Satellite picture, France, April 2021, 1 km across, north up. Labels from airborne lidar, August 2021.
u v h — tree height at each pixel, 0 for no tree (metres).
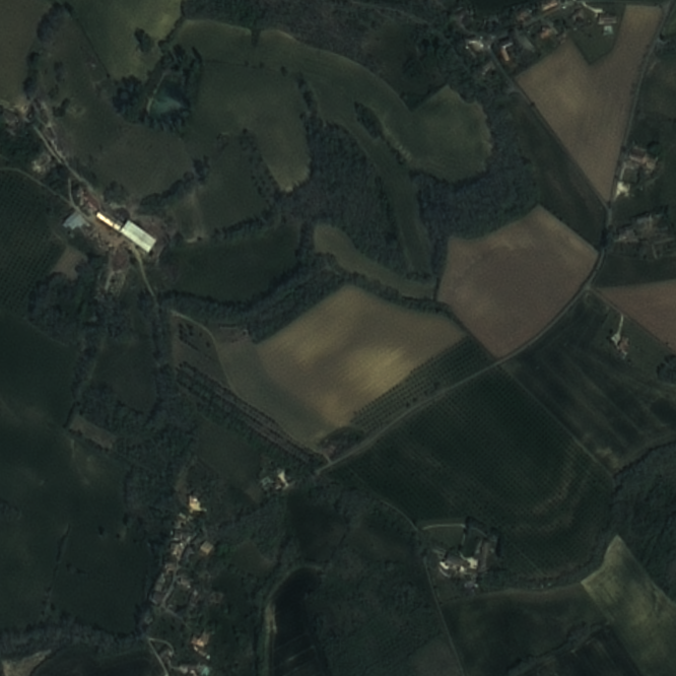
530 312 0
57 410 0
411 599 15
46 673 0
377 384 0
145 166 0
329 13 17
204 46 0
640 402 0
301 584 0
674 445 8
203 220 0
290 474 13
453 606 0
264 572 0
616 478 13
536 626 0
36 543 0
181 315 10
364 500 21
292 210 18
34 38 0
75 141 0
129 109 30
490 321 0
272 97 0
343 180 16
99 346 19
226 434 0
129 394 0
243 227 10
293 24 17
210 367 0
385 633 7
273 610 0
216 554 9
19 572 0
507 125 17
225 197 0
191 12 22
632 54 0
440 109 0
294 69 0
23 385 0
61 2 0
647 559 7
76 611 0
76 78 0
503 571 9
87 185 7
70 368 0
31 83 15
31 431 0
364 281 11
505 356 0
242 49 0
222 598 11
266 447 7
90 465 0
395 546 0
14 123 9
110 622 0
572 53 0
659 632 0
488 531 9
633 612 0
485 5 0
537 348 0
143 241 0
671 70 0
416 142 0
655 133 0
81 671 0
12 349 0
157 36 0
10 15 0
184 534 0
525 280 0
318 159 18
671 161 0
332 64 0
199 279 0
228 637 0
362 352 0
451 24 11
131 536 0
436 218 18
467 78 8
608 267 0
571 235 0
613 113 0
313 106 20
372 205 25
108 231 0
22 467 0
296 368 0
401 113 0
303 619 0
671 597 9
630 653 0
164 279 0
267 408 0
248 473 0
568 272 0
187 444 16
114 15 0
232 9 22
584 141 0
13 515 18
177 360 0
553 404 0
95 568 0
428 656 0
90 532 0
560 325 0
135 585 0
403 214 0
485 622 0
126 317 20
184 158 0
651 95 0
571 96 0
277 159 0
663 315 0
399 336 0
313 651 0
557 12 0
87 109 0
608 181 0
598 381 0
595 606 0
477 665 0
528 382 0
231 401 7
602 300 0
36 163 0
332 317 0
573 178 0
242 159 0
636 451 0
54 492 0
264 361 0
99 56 0
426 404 0
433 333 0
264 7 18
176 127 13
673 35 0
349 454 0
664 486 7
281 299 8
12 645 12
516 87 0
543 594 0
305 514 0
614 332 7
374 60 16
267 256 0
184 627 10
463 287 0
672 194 0
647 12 0
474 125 0
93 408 19
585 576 14
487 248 0
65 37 0
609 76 0
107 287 0
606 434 0
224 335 0
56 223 0
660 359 0
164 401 14
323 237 0
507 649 0
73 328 19
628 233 0
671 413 0
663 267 0
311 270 16
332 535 0
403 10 21
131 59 0
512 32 9
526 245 0
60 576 0
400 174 0
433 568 13
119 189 15
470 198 27
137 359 0
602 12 0
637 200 0
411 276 17
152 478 8
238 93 0
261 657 13
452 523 0
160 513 9
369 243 24
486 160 0
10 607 0
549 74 0
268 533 20
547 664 0
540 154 0
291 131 0
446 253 13
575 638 17
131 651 7
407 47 0
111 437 0
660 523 8
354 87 0
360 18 7
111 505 0
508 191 19
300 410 0
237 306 12
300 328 0
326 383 0
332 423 0
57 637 17
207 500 8
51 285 15
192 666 0
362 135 0
